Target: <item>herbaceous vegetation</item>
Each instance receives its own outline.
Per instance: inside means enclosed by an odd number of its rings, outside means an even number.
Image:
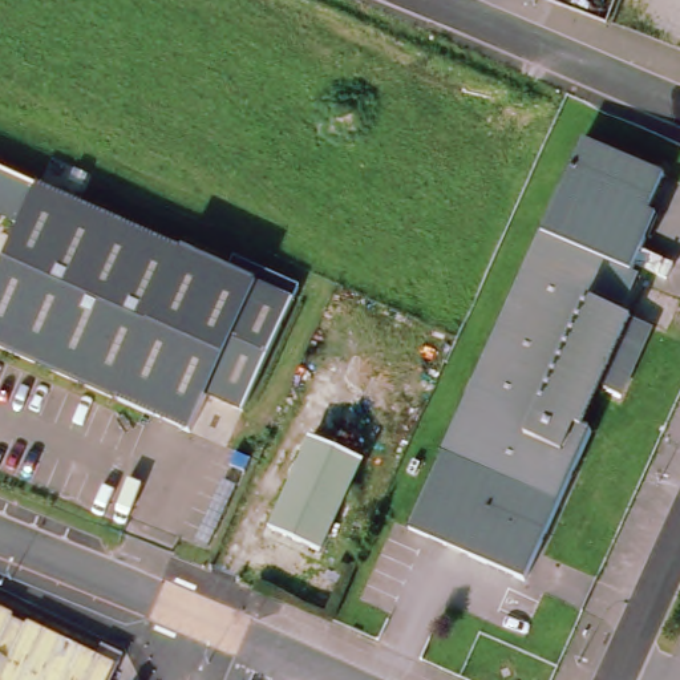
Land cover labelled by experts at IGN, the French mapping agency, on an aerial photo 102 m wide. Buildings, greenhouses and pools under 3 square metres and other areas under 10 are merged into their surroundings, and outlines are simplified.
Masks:
[[[0,361],[16,372],[45,380],[77,398],[85,396],[106,412],[120,412],[138,420],[143,414],[143,406],[104,393],[96,385],[85,385],[64,372],[56,372],[35,359],[11,353],[0,345]]]
[[[316,93],[321,88],[332,85],[335,80],[356,77],[380,88],[377,96],[383,98],[383,112],[375,130],[369,135],[361,135],[361,149],[337,151],[321,143],[316,122],[308,120],[308,106],[319,101]],[[284,316],[282,329],[260,367],[255,388],[242,406],[234,468],[226,473],[231,491],[220,507],[215,529],[205,547],[191,542],[178,542],[175,547],[178,558],[186,558],[197,566],[220,566],[223,560],[244,518],[252,489],[271,465],[276,446],[282,441],[279,428],[268,422],[276,414],[282,414],[279,404],[287,398],[287,390],[295,383],[295,369],[303,367],[300,356],[313,329],[324,319],[327,298],[337,292],[356,292],[356,287],[367,287],[383,292],[385,298],[406,308],[422,308],[425,313],[420,321],[425,321],[430,329],[446,332],[457,345],[449,361],[444,364],[438,385],[430,390],[430,404],[401,454],[401,462],[406,462],[406,473],[401,470],[396,481],[388,483],[385,497],[369,505],[369,526],[361,534],[348,537],[351,542],[337,571],[337,584],[329,590],[319,590],[276,566],[242,566],[239,571],[247,590],[266,600],[295,603],[324,619],[337,619],[361,632],[377,635],[385,622],[385,611],[361,600],[361,587],[367,584],[375,558],[380,555],[385,529],[390,523],[409,526],[409,515],[422,494],[425,481],[433,473],[449,422],[465,396],[473,369],[499,319],[505,298],[521,271],[521,263],[531,247],[531,239],[558,189],[558,181],[566,170],[566,162],[576,141],[584,133],[590,133],[590,138],[606,146],[614,146],[624,154],[632,154],[643,162],[661,167],[664,175],[680,183],[680,151],[653,138],[648,130],[640,133],[635,128],[619,125],[603,109],[595,109],[592,104],[571,93],[558,90],[558,80],[531,80],[521,69],[489,58],[486,50],[470,43],[454,37],[452,43],[436,32],[412,27],[385,11],[353,0],[0,0],[0,130],[45,151],[61,151],[69,157],[90,154],[96,157],[98,167],[122,175],[191,210],[205,210],[207,202],[218,197],[263,220],[282,226],[284,250],[300,260],[308,260],[308,279],[303,284],[298,303]]]
[[[449,619],[446,614],[441,614],[430,630],[425,659],[433,661],[433,669],[444,680],[553,680],[579,624],[579,608],[547,595],[529,622],[529,635],[515,635],[468,611],[460,619]]]
[[[109,529],[104,526],[106,518],[93,515],[88,507],[77,502],[61,499],[58,491],[37,486],[32,478],[8,475],[0,470],[0,499],[35,510],[45,518],[61,521],[66,526],[74,526],[101,542],[109,537]]]
[[[608,401],[608,409],[603,412],[598,430],[587,428],[587,444],[576,454],[563,478],[560,491],[568,494],[568,502],[545,547],[545,555],[563,566],[584,571],[587,576],[595,576],[603,568],[608,550],[619,534],[619,526],[632,507],[638,486],[645,478],[645,468],[651,465],[653,452],[659,446],[659,428],[669,422],[672,406],[680,396],[680,327],[669,324],[667,332],[656,332],[640,359],[635,377],[627,385],[627,396],[622,401]]]

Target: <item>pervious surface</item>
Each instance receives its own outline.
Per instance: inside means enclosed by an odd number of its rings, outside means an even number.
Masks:
[[[337,571],[351,542],[348,537],[361,534],[369,526],[369,505],[385,497],[388,483],[396,481],[401,470],[406,473],[406,462],[401,462],[401,454],[430,404],[430,390],[438,385],[444,364],[449,361],[457,345],[446,332],[430,329],[425,321],[420,321],[425,313],[422,308],[406,308],[385,298],[383,292],[367,287],[356,287],[356,292],[337,292],[327,298],[324,319],[313,329],[300,356],[303,367],[295,369],[295,383],[287,390],[287,398],[279,404],[282,414],[276,414],[268,422],[279,428],[282,441],[276,446],[271,465],[252,489],[244,518],[223,560],[228,563],[228,571],[239,571],[242,566],[276,566],[319,590],[329,590],[337,584]],[[337,526],[332,529],[329,542],[324,547],[274,523],[274,510],[282,502],[282,494],[290,483],[287,468],[298,465],[303,454],[300,441],[313,441],[316,436],[332,438],[361,454],[359,468],[345,489],[345,502],[340,502],[340,507],[335,510]]]

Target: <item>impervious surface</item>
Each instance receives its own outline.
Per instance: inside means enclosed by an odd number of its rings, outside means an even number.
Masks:
[[[643,263],[632,268],[635,284],[643,287],[648,292],[648,300],[656,303],[661,311],[656,332],[667,332],[669,324],[680,327],[680,183],[664,175],[651,199],[653,215],[648,223],[645,247],[669,260],[669,274],[667,279],[656,279]]]
[[[205,252],[213,252],[250,274],[268,266],[300,279],[303,284],[308,279],[308,260],[300,260],[284,250],[282,226],[263,220],[218,197],[207,202],[205,210],[191,210],[122,175],[98,167],[96,157],[90,154],[69,157],[61,151],[45,151],[0,130],[0,162],[37,181],[45,181],[72,197],[117,213],[138,226],[146,226],[162,236],[189,242]]]
[[[603,109],[619,125],[635,128],[640,133],[648,130],[653,138],[680,151],[680,0],[353,0],[385,11],[412,27],[436,32],[452,43],[454,37],[470,43],[486,50],[489,58],[521,69],[531,80],[558,80],[558,90],[571,93],[592,104],[595,109]]]
[[[584,571],[563,566],[545,555],[539,558],[537,568],[521,574],[473,550],[465,550],[449,539],[441,539],[430,531],[409,526],[390,523],[385,529],[380,555],[375,558],[367,584],[361,587],[361,600],[385,611],[385,622],[377,635],[361,632],[337,619],[324,619],[295,603],[266,600],[247,590],[239,571],[228,571],[228,563],[223,560],[220,566],[197,566],[186,558],[178,558],[175,547],[178,542],[191,542],[205,547],[215,529],[220,507],[231,491],[226,473],[234,468],[242,406],[205,393],[194,406],[191,420],[178,422],[151,406],[143,406],[143,414],[138,420],[120,412],[106,412],[85,396],[77,398],[45,380],[16,372],[0,361],[0,470],[8,475],[32,478],[37,486],[58,491],[61,499],[77,502],[88,507],[93,515],[106,518],[104,526],[109,529],[109,537],[101,542],[74,526],[66,526],[61,521],[45,518],[35,510],[0,499],[0,606],[8,608],[16,619],[37,622],[106,656],[112,661],[112,672],[106,680],[444,680],[433,669],[433,661],[425,659],[430,630],[441,614],[446,614],[449,619],[460,619],[468,611],[515,635],[529,635],[529,622],[547,595],[579,608],[579,624],[553,680],[680,680],[680,635],[675,638],[675,648],[669,653],[659,648],[656,638],[667,616],[667,606],[675,600],[675,592],[680,587],[680,396],[672,406],[669,422],[659,428],[659,446],[653,452],[651,465],[645,468],[645,478],[638,486],[632,507],[619,526],[619,534],[608,550],[603,568],[595,576],[587,576]]]

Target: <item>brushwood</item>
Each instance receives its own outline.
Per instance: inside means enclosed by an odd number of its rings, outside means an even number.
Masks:
[[[319,101],[308,106],[308,120],[316,122],[321,143],[337,151],[361,149],[361,135],[369,135],[375,130],[383,112],[383,98],[377,96],[380,88],[356,77],[335,80],[332,85],[321,88],[316,93]]]
[[[675,648],[675,638],[680,635],[680,587],[675,592],[675,600],[667,606],[667,616],[656,638],[659,648],[669,653]]]

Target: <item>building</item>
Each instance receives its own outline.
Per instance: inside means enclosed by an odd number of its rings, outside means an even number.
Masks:
[[[563,478],[576,454],[587,444],[587,428],[598,430],[603,412],[608,409],[608,401],[622,401],[627,396],[627,385],[635,377],[640,359],[656,332],[661,311],[656,303],[648,300],[648,292],[643,287],[635,284],[632,268],[643,263],[656,279],[667,279],[669,274],[669,260],[645,247],[648,223],[653,215],[651,199],[664,175],[661,167],[643,162],[632,154],[624,154],[614,146],[606,146],[590,138],[590,133],[584,133],[576,141],[566,162],[566,170],[558,181],[558,189],[531,239],[531,247],[521,263],[521,271],[505,298],[499,319],[473,369],[465,396],[449,422],[433,473],[425,481],[422,494],[409,515],[409,526],[430,531],[441,539],[449,539],[465,550],[473,550],[521,574],[537,568],[539,558],[545,555],[545,547],[568,502],[568,494],[560,491]]]
[[[112,672],[112,661],[106,656],[37,622],[16,619],[8,608],[0,606],[0,680],[106,680]]]
[[[282,329],[284,316],[298,303],[303,284],[300,279],[268,266],[250,274],[213,252],[205,252],[189,242],[162,236],[146,226],[138,226],[117,213],[72,197],[45,181],[37,181],[0,162],[0,345],[11,353],[35,359],[56,372],[64,372],[85,385],[96,385],[104,393],[143,406],[151,406],[178,422],[191,420],[194,406],[205,393],[242,406],[255,388],[260,367]]]
[[[345,489],[359,468],[361,454],[332,438],[316,436],[313,441],[300,441],[303,454],[298,465],[287,468],[290,483],[282,494],[282,502],[274,510],[274,523],[324,547],[329,542],[332,529],[337,526],[335,510],[340,507],[340,502],[345,502]]]

